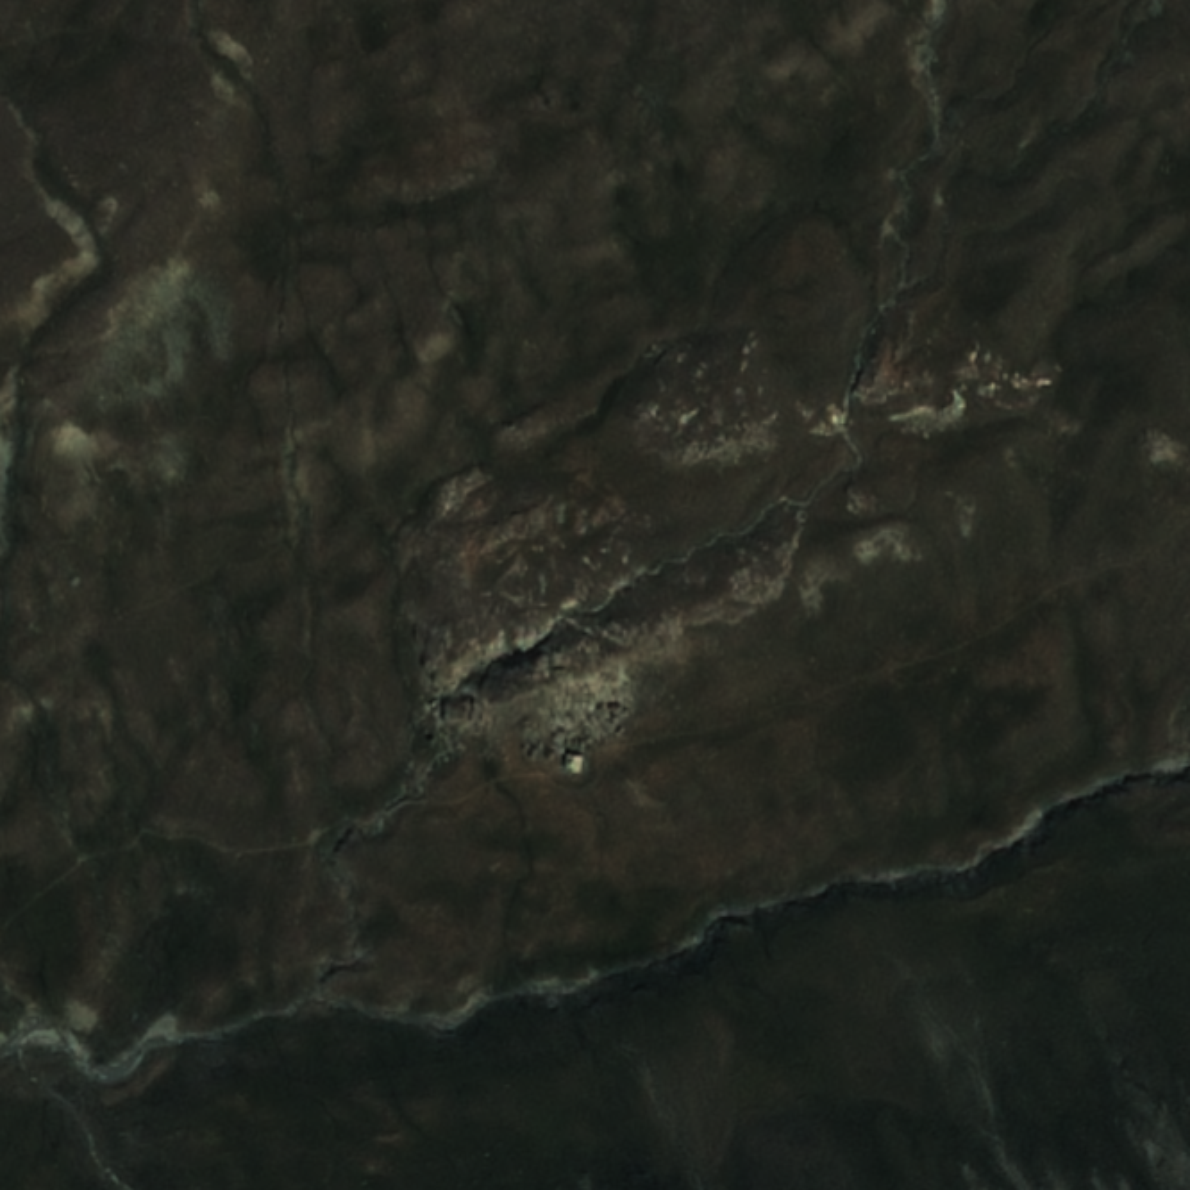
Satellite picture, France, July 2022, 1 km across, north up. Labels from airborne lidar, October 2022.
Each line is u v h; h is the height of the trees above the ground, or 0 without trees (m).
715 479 0
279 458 0
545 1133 0
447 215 0
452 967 0
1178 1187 0
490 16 0
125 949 0
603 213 0
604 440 0
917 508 0
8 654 0
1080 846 0
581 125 0
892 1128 0
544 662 0
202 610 0
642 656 7
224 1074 0
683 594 0
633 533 0
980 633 0
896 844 0
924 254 0
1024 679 0
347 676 0
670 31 0
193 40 0
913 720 0
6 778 0
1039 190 0
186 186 0
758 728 0
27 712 0
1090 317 0
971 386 0
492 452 0
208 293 0
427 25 0
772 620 0
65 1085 0
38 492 0
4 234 0
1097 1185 0
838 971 0
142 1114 0
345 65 0
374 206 0
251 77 0
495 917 0
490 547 0
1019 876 0
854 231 0
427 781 0
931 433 0
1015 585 0
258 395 0
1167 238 0
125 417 0
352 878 0
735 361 0
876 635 0
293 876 0
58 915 0
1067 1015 0
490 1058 0
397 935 0
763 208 0
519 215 0
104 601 0
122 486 0
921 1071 0
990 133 0
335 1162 0
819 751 0
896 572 0
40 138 0
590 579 0
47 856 0
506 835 0
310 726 0
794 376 0
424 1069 0
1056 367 0
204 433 0
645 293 0
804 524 0
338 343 0
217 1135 0
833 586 0
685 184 0
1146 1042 0
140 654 0
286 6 0
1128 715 0
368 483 0
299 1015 0
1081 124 0
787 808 0
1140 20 0
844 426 0
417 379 0
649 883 0
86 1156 0
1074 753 0
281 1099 0
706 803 0
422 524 0
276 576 0
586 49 0
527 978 0
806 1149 0
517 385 0
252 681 0
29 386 0
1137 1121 0
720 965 0
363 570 0
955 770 0
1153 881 0
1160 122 0
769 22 0
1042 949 0
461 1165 0
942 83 0
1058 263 0
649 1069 0
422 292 0
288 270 0
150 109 0
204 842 0
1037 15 0
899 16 0
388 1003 0
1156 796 0
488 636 0
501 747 0
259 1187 0
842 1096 0
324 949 0
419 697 0
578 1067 0
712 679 0
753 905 10
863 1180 0
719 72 0
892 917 0
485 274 0
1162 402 0
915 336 0
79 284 0
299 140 0
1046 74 0
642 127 0
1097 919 0
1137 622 0
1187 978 0
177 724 0
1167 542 0
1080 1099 0
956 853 0
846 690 0
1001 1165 0
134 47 0
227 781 0
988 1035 0
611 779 0
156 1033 0
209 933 0
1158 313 0
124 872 0
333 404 0
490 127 0
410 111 0
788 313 0
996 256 0
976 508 0
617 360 0
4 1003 0
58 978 0
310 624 0
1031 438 0
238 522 0
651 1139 0
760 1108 0
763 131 0
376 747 0
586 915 0
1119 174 0
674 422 0
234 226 0
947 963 0
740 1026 0
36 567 0
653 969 0
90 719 0
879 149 0
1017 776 0
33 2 0
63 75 0
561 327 0
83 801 0
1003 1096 0
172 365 0
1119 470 0
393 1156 0
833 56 0
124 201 0
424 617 0
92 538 0
